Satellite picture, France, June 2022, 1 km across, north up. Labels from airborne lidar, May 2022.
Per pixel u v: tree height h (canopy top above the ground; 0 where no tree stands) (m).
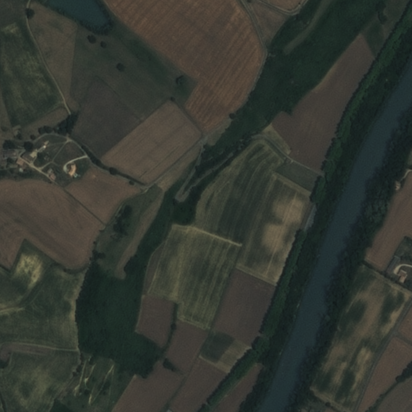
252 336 0
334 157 22
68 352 0
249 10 0
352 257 23
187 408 0
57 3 0
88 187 0
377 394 0
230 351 0
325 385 0
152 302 0
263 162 0
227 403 0
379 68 23
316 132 0
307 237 19
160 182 0
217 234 0
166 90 0
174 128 0
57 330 0
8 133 0
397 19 0
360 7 6
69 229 0
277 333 10
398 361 0
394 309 0
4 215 0
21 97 0
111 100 0
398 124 0
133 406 0
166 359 9
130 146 0
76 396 0
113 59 0
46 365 0
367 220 21
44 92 0
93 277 13
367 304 0
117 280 6
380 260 0
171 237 0
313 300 0
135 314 6
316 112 0
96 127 0
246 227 0
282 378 0
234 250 0
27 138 0
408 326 0
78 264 0
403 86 0
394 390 0
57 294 0
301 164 0
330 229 0
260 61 0
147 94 0
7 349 0
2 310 0
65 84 0
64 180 0
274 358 19
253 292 0
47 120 0
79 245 0
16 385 0
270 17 0
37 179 0
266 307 0
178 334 0
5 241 0
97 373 0
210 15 0
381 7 16
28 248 0
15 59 0
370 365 0
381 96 7
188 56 0
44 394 0
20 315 0
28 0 0
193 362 0
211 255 0
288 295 12
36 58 0
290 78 8
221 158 11
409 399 0
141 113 0
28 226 0
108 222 0
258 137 0
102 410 0
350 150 10
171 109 0
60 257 0
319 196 23
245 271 0
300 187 0
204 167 11
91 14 0
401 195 0
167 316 0
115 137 0
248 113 7
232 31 0
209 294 0
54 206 0
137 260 9
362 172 0
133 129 0
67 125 15
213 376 0
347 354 0
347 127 19
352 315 0
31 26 0
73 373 8
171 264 0
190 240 0
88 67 0
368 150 0
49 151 0
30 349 0
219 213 0
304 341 0
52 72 0
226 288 0
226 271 0
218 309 0
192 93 0
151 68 0
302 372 33
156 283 0
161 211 7
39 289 0
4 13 0
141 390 0
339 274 30
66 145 0
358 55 0
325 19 8
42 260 0
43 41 0
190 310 0
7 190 0
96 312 9
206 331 0
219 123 0
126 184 0
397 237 0
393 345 0
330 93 0
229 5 0
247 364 30
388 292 0
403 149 17
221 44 0
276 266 0
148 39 0
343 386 0
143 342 6
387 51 22
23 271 0
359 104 19
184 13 0
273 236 0
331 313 18
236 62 0
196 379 0
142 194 0
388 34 0
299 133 0
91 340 9
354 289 0
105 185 0
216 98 0
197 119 0
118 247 0
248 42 0
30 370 0
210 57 0
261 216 0
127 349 7
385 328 0
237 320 0
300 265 19
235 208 0
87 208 0
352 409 0
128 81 0
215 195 0
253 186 0
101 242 0
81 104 0
